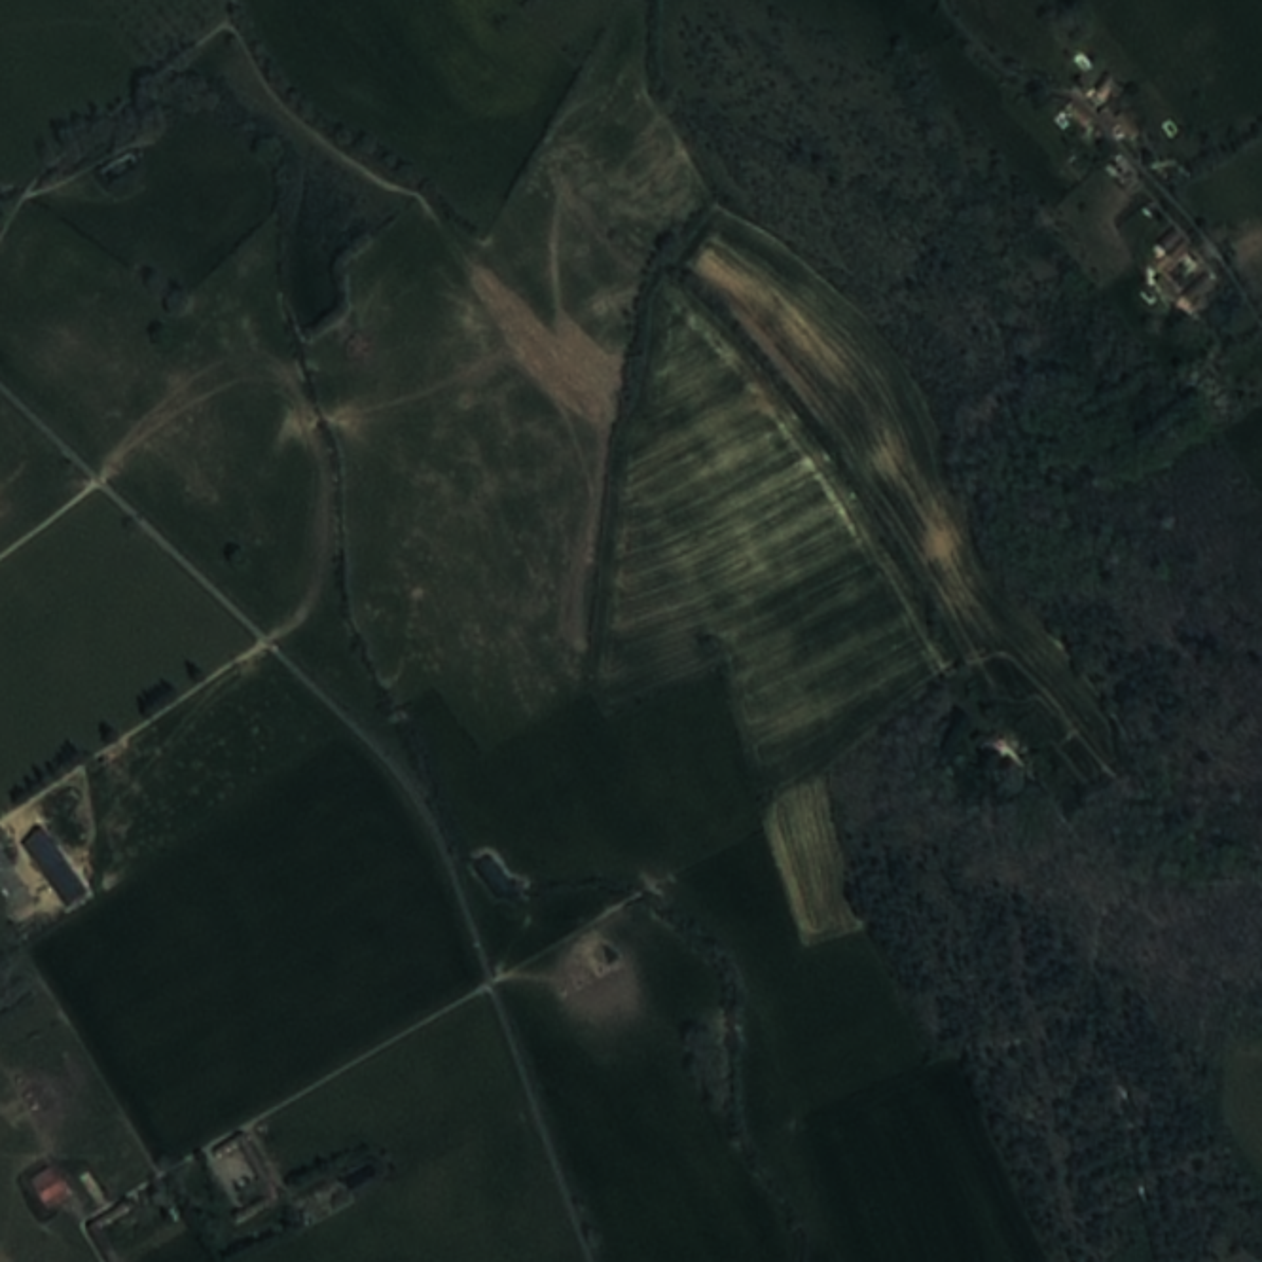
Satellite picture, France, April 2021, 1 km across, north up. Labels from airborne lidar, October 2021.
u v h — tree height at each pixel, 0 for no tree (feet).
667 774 0
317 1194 0
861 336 0
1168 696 59
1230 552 23
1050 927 29
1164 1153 51
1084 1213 36
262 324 0
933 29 0
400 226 0
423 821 0
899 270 0
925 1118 0
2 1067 0
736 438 0
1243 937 71
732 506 0
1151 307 0
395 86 0
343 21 0
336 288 28
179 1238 0
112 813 0
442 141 0
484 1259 0
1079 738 0
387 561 0
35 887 0
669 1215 0
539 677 0
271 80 41
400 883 0
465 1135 0
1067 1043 31
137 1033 0
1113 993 26
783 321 0
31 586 0
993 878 40
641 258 0
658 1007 0
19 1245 0
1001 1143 22
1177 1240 38
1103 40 0
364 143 42
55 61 0
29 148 0
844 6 0
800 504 0
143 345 0
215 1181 41
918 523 0
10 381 0
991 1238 0
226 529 0
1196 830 74
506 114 0
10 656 0
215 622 0
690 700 0
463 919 0
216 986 0
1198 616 51
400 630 0
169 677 0
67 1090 0
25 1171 0
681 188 0
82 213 0
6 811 0
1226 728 52
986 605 0
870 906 36
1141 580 57
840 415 0
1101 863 50
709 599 0
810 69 0
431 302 0
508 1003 0
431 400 0
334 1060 0
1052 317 22
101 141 47
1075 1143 33
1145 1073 47
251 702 0
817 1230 0
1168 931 53
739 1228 0
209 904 0
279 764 0
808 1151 0
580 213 0
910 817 46
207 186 0
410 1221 0
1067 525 63
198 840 0
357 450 0
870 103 0
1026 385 56
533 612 0
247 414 0
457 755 0
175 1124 0
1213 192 0
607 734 0
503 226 0
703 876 0
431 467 0
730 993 22
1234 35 0
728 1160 0
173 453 0
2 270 0
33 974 0
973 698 26
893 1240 0
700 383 0
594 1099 0
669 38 0
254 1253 37
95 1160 0
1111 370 36
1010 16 0
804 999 0
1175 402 29
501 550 0
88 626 0
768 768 0
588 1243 40
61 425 0
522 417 0
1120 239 0
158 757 0
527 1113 0
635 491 0
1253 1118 0
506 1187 0
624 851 0
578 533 0
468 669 0
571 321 0
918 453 0
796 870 0
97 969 0
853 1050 0
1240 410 31
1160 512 46
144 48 39
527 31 0
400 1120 0
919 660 0
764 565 0
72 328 0
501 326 0
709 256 0
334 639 0
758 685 0
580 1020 0
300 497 0
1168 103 0
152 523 0
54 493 0
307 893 0
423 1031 0
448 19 0
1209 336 50
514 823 0
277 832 0
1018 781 58
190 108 49
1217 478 41
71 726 0
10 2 0
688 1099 0
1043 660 0
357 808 0
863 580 0
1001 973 36
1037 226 46
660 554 0
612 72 0
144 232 0
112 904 0
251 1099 0
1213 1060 42
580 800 0
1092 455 73
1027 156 0
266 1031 0
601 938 0
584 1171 0
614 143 0
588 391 0
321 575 0
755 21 0
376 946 0
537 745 0
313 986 0
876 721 0
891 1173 0
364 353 0
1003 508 59
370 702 0
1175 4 0
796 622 0
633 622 0
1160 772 72
